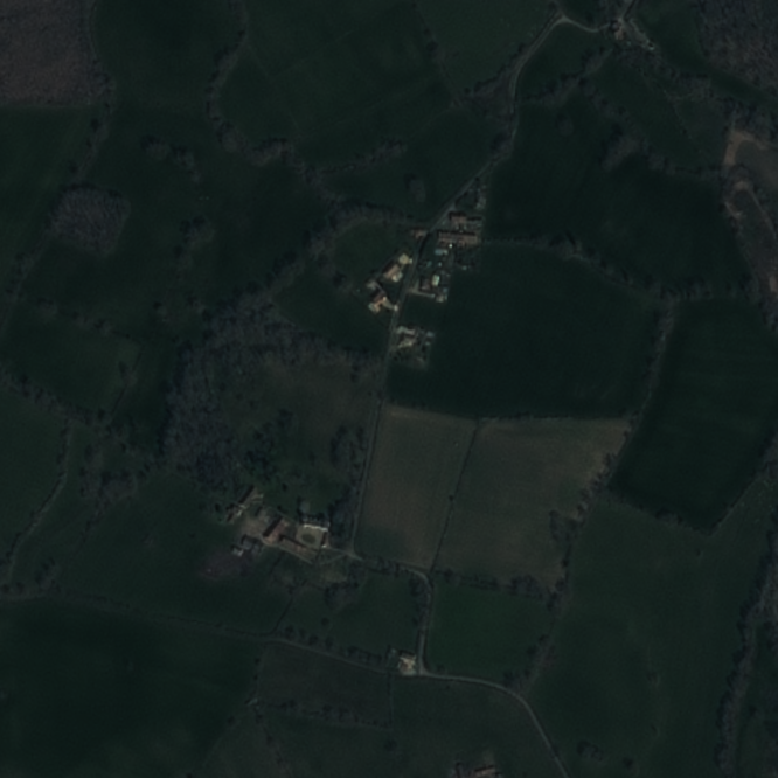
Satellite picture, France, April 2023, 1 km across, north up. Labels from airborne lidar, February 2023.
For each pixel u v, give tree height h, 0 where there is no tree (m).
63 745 0
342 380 0
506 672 0
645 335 0
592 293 0
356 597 21
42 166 0
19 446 0
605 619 0
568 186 0
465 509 0
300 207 0
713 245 0
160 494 0
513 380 0
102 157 0
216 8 0
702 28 16
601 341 0
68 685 0
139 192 0
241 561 0
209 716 0
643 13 0
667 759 0
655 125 0
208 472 19
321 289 0
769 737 0
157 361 0
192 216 0
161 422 0
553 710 0
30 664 0
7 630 0
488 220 0
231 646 0
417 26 0
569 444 0
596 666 0
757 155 0
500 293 0
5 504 0
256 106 0
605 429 0
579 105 0
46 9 9
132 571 0
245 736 0
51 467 0
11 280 0
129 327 0
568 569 17
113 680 0
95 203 24
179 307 0
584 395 0
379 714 0
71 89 10
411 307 0
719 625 0
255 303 21
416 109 0
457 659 0
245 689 0
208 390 12
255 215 0
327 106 0
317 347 15
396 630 0
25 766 0
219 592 0
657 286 17
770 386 0
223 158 0
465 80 0
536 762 0
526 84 0
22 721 0
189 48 0
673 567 0
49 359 0
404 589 0
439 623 0
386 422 0
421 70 0
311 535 0
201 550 0
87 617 0
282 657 0
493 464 0
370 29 0
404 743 0
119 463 0
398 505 0
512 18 0
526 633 0
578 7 0
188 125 0
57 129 0
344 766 0
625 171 0
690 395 0
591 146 0
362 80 0
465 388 0
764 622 17
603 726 0
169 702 0
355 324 0
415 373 0
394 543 0
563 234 0
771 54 19
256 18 0
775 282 0
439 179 0
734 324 0
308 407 0
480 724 0
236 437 9
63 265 0
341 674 0
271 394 0
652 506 0
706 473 0
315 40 0
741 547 0
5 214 0
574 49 0
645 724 0
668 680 0
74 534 0
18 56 8
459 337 0
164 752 0
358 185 0
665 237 0
